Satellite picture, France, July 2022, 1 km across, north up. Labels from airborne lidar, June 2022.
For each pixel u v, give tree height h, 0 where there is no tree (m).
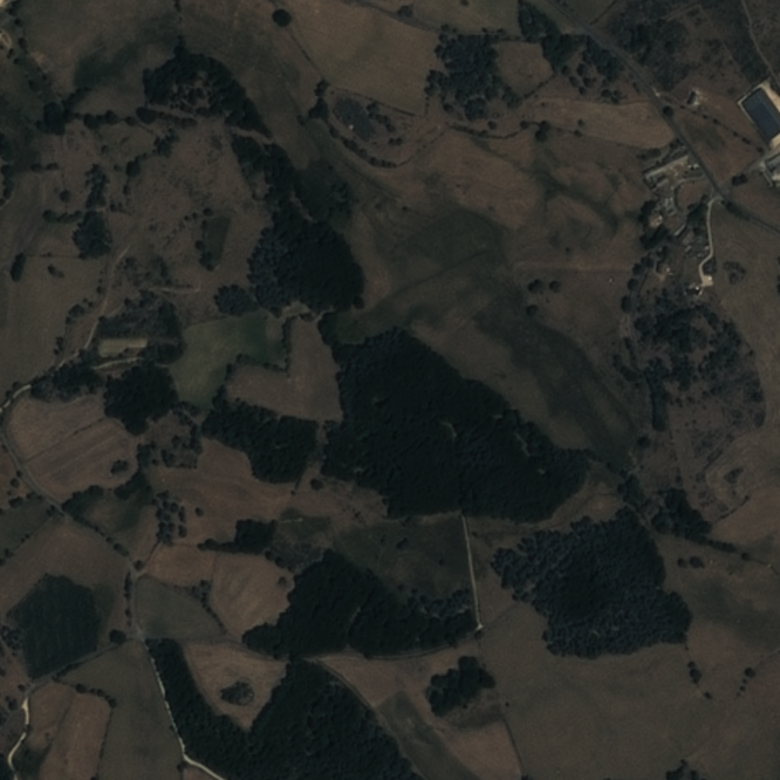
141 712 0
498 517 10
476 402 22
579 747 0
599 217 0
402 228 0
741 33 0
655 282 0
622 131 0
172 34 0
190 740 12
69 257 0
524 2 15
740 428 0
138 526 0
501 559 18
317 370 0
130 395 15
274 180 14
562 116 0
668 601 18
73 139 0
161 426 0
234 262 0
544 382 0
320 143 0
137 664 0
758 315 0
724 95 0
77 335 0
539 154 0
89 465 0
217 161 0
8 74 0
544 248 0
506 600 0
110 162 0
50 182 0
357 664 0
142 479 13
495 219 0
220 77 17
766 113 0
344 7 0
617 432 0
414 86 0
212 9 0
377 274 0
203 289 0
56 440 0
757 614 0
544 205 0
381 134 0
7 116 0
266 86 0
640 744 0
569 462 17
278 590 0
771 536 0
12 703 9
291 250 15
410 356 21
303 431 16
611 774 0
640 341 6
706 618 0
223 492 0
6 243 0
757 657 0
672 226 0
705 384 0
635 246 0
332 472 15
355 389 18
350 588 15
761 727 0
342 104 0
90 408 0
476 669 16
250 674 0
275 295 19
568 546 17
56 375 14
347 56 0
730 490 0
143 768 0
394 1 0
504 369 0
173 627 0
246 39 0
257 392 0
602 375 0
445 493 23
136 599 0
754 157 0
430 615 13
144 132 0
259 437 10
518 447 20
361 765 21
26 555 0
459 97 11
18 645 12
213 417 9
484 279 0
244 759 12
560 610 19
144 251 0
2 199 7
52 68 0
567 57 8
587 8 0
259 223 0
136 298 0
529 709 0
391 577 0
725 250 0
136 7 0
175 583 0
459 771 0
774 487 0
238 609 0
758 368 0
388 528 0
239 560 0
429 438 17
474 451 21
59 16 0
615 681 0
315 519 0
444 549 0
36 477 0
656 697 0
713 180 0
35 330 0
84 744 0
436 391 19
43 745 0
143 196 0
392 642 17
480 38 7
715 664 0
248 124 19
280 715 17
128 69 0
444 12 0
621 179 0
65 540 0
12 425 0
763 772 0
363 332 0
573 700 0
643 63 12
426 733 0
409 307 0
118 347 0
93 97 0
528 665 0
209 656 0
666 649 0
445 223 0
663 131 0
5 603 0
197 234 0
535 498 23
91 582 0
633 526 11
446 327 0
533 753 0
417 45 0
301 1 0
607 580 13
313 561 0
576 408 0
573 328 0
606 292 0
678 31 0
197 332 0
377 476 16
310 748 14
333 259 20
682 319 11
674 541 0
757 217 0
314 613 19
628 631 21
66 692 0
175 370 0
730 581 0
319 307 19
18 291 0
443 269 0
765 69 0
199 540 0
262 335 0
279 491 0
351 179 0
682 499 15
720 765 0
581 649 17
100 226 6
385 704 0
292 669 18
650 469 0
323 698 16
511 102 8
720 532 0
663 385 10
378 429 18
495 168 0
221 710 0
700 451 0
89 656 0
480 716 0
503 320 0
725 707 0
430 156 0
